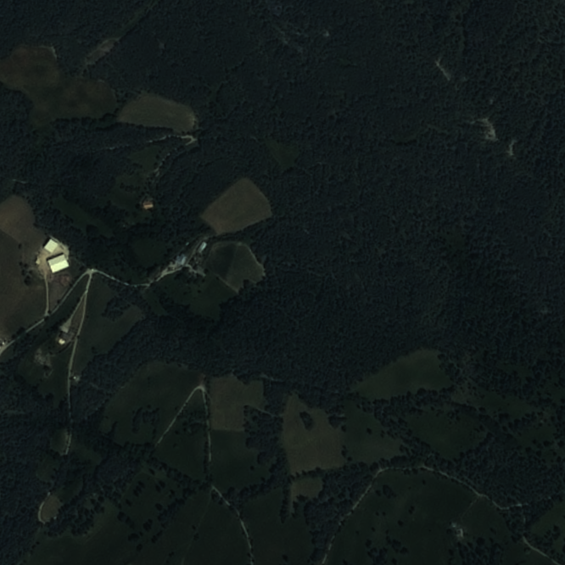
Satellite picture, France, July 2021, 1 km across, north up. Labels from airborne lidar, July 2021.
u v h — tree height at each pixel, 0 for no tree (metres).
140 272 17
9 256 0
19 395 9
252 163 12
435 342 13
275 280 13
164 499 0
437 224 10
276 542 0
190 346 18
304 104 11
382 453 0
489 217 7
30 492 12
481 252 11
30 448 17
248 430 6
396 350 20
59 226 13
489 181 16
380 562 18
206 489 14
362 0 8
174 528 0
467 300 18
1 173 12
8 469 9
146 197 7
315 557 13
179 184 9
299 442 0
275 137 10
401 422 15
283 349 18
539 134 11
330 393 14
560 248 12
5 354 0
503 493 9
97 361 7
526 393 15
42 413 12
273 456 11
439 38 6
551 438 0
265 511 0
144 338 11
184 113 0
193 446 0
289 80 11
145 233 11
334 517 13
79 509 13
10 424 11
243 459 0
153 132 12
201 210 8
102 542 0
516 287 12
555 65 14
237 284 0
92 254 17
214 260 0
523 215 16
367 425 0
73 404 11
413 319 16
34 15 9
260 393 0
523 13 11
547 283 13
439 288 14
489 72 8
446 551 0
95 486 14
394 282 13
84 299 0
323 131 15
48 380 0
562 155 7
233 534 0
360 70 7
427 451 11
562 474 12
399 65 13
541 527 0
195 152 14
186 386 0
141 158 0
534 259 16
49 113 0
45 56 0
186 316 14
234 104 7
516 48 12
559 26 6
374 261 16
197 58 15
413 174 15
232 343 16
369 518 0
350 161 16
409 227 11
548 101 14
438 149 11
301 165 8
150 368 0
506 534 0
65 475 15
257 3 13
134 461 17
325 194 12
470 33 12
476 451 7
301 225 9
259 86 13
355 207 14
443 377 0
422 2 11
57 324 9
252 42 9
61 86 0
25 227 0
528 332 19
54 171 13
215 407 0
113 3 12
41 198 12
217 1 10
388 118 14
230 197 0
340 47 8
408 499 0
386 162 14
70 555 0
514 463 15
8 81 0
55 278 0
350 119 15
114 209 8
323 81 11
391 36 6
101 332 0
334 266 10
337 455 0
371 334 17
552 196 13
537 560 0
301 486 0
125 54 13
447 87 8
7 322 0
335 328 18
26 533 16
